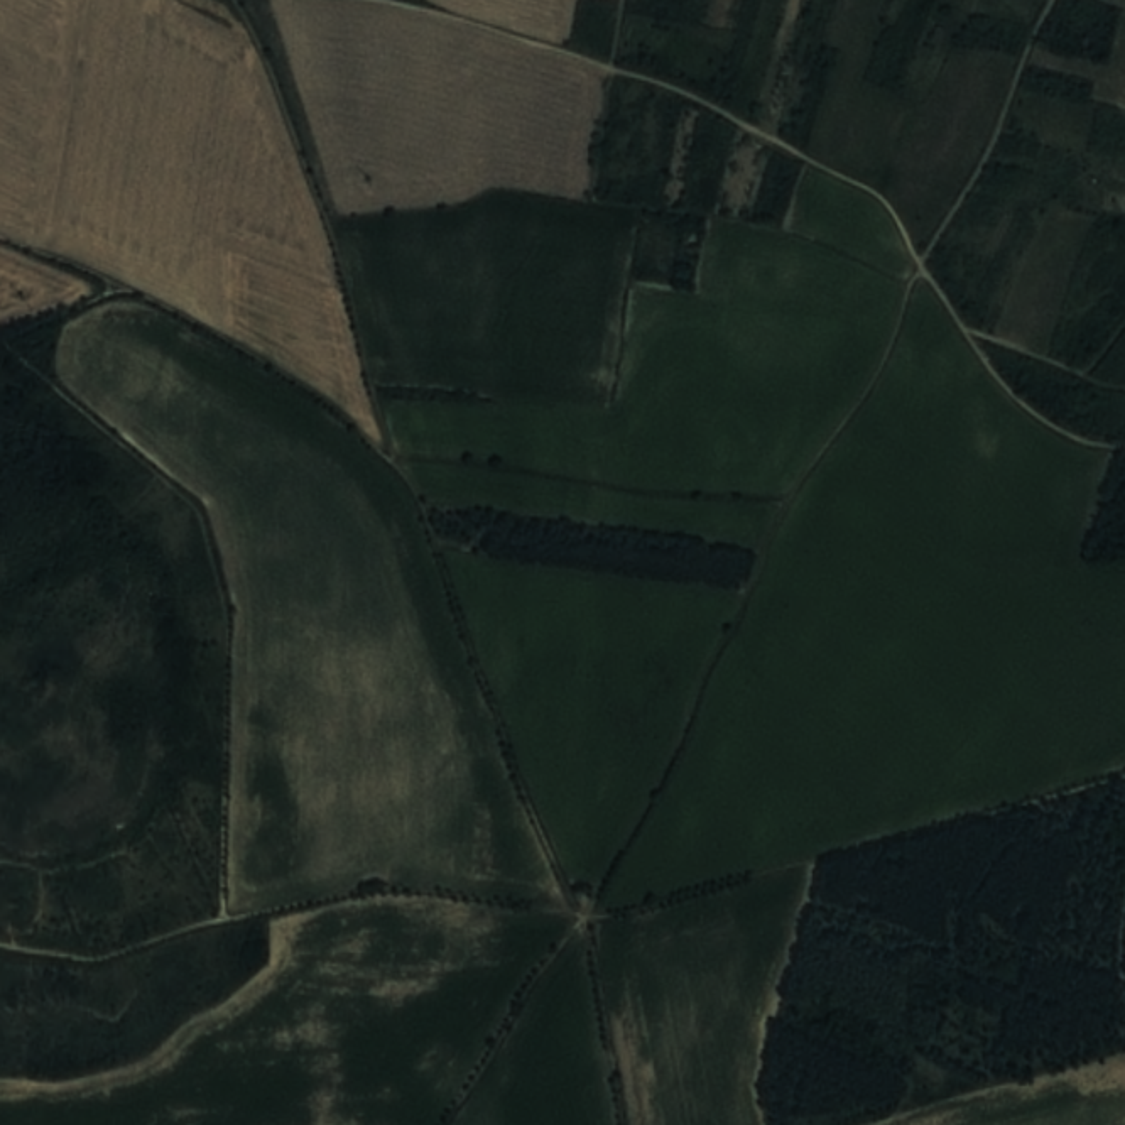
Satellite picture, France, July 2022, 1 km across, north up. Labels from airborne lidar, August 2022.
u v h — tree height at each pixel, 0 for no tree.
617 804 0
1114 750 0
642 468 0
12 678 0
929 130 0
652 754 0
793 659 0
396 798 0
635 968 0
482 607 0
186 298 0
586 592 0
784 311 0
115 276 0
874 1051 10
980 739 0
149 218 0
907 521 0
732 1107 0
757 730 0
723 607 0
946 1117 0
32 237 0
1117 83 0
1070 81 6
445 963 0
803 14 8
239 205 0
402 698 0
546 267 0
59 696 0
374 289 0
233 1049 0
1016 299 0
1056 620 0
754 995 0
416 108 0
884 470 0
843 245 0
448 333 0
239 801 0
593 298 0
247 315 0
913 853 13
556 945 8
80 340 0
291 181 0
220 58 0
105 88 0
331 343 0
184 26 0
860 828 0
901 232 0
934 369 0
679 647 0
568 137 0
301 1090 0
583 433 0
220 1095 0
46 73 0
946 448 0
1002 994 16
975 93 0
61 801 0
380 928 0
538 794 0
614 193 7
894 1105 7
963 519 0
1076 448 0
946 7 6
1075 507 0
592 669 0
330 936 0
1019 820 12
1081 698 0
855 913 10
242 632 0
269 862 0
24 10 0
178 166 0
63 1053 6
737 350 0
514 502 0
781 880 0
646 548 13
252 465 0
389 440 0
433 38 0
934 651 0
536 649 0
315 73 0
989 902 15
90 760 0
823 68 9
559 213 0
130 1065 0
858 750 0
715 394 0
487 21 0
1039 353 0
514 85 0
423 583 0
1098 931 18
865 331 0
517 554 13
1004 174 7
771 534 0
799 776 0
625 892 0
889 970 16
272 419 0
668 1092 0
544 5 0
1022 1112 0
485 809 0
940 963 18
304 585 0
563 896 0
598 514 0
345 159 0
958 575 0
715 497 0
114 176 0
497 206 0
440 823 0
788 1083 13
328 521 0
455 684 0
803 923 15
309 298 0
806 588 0
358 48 0
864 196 0
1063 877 16
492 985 0
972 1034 11
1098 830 11
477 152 0
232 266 0
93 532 6
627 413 0
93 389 0
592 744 0
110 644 0
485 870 0
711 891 8
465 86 0
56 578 6
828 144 0
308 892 0
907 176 0
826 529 0
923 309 0
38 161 0
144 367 0
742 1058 0
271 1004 0
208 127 0
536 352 0
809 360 0
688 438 0
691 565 12
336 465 0
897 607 0
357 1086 0
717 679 0
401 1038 0
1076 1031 15
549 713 0
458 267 0
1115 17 8
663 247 0
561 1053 0
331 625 0
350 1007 0
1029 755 0
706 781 0
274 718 0
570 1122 0
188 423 0
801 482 0
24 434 8
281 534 0
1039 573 0
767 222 9
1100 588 0
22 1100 0
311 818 0
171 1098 0
